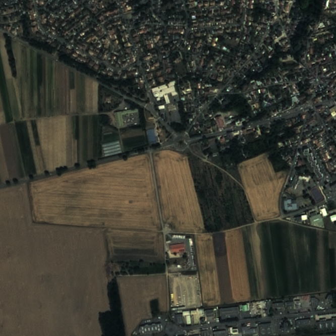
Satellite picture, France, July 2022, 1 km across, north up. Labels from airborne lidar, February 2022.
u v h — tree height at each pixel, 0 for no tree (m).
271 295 0
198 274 0
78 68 7
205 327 0
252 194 0
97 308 0
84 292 0
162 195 0
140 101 7
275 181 0
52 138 0
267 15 7
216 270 0
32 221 0
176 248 0
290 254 0
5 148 0
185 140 0
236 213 0
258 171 0
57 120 0
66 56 12
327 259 0
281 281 0
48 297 0
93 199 0
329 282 0
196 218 0
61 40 0
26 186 0
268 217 0
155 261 0
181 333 0
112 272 9
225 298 0
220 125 0
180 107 13
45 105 0
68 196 0
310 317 0
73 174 0
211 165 0
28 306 0
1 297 0
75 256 0
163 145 0
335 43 8
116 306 13
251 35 10
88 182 0
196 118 0
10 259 0
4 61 0
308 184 0
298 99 0
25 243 0
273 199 0
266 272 0
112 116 0
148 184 0
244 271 0
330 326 0
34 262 0
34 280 0
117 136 0
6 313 0
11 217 0
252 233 0
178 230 0
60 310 0
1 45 0
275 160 7
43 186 0
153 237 0
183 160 0
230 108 9
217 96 0
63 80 0
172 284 0
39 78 0
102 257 0
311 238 0
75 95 0
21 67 0
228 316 0
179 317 0
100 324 14
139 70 8
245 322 0
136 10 10
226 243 0
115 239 0
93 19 10
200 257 0
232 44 0
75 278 0
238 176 0
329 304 0
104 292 0
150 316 0
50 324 0
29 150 0
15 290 0
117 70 0
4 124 0
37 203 0
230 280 0
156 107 8
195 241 0
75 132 0
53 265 0
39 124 0
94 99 0
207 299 0
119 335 12
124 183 0
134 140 0
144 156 0
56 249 0
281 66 12
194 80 8
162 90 0
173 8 11
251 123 0
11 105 0
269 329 0
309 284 0
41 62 0
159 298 0
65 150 0
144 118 11
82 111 0
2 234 0
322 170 0
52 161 0
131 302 0
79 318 0
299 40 7
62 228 0
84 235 0
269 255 0
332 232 0
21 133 0
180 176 0
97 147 0
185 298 0
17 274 0
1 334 0
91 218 0
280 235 0
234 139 10
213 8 0
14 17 10
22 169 0
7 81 0
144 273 0
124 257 0
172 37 0
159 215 0
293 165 0
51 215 0
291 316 0
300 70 0
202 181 0
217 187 0
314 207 0
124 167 0
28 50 0
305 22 8
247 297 0
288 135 8
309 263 0
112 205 0
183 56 6
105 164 0
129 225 0
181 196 0
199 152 0
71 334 0
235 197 0
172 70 8
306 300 0
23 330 0
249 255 0
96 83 0
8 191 0
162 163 0
